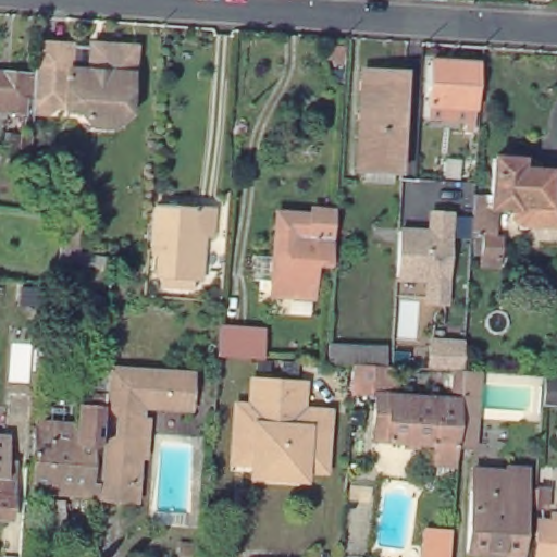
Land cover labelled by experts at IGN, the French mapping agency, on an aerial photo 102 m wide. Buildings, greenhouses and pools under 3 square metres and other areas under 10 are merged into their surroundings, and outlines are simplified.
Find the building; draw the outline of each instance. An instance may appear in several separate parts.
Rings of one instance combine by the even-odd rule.
[[[333,67],[346,67],[346,48],[339,46],[333,50],[331,57]]]
[[[33,307],[37,296],[35,287],[22,287],[22,305]]]
[[[370,398],[372,409],[379,411],[374,431],[374,440],[379,444],[403,446],[413,455],[422,448],[433,450],[433,466],[435,472],[442,476],[453,472],[457,468],[457,459],[463,457],[466,448],[479,446],[479,424],[485,420],[485,409],[490,409],[485,403],[481,403],[481,396],[487,394],[492,385],[487,383],[487,374],[470,372],[466,368],[463,342],[433,337],[429,346],[429,361],[429,363],[431,370],[448,370],[448,376],[455,379],[450,389],[457,394],[453,398],[392,394],[392,387],[398,387],[398,381],[392,376],[392,366],[394,361],[405,361],[413,355],[413,348],[407,344],[398,339],[394,339],[387,346],[329,344],[329,348],[329,359],[333,363],[350,363],[355,368],[352,374],[352,396],[361,396],[366,400]]]
[[[226,359],[261,359],[257,363],[257,379],[250,381],[248,400],[235,403],[233,407],[228,468],[239,476],[248,474],[255,483],[294,487],[315,483],[320,476],[331,474],[335,429],[333,413],[333,409],[309,407],[307,381],[287,381],[302,368],[294,361],[265,359],[265,350],[265,329],[248,326],[226,326],[220,326],[220,352],[220,357]]]
[[[361,109],[355,115],[350,115],[359,126],[359,131],[352,135],[352,139],[357,141],[359,159],[357,176],[361,176],[363,183],[379,185],[389,185],[396,181],[396,176],[407,174],[409,165],[411,72],[361,67],[355,72],[352,83],[352,87],[361,91]]]
[[[444,122],[453,122],[461,111],[466,113],[466,124],[476,122],[483,100],[483,63],[435,57],[429,59],[435,65],[433,96],[433,111],[442,111]]]
[[[194,540],[189,544],[176,541],[176,557],[194,557]]]
[[[94,259],[94,268],[100,272],[102,268],[107,268],[107,259]]]
[[[0,531],[9,522],[13,522],[15,516],[22,511],[24,485],[22,466],[26,463],[37,463],[37,485],[44,483],[57,490],[57,494],[52,494],[50,498],[52,507],[59,507],[59,520],[65,520],[67,511],[87,509],[94,496],[111,505],[137,505],[141,500],[144,461],[148,461],[148,411],[181,413],[189,413],[196,409],[196,389],[196,372],[161,370],[117,366],[94,389],[91,398],[87,398],[87,403],[81,407],[81,418],[74,420],[52,422],[46,416],[37,407],[33,407],[30,392],[9,392],[0,396]]]
[[[205,265],[205,239],[213,242],[220,233],[220,207],[154,207],[152,221],[150,242],[150,250],[141,268],[144,274],[150,274],[159,283],[159,289],[165,294],[198,292],[191,279]]]
[[[557,381],[553,379],[542,383],[542,409],[557,409]]]
[[[509,468],[476,466],[474,479],[472,542],[481,544],[483,557],[557,557],[557,516],[540,520],[537,533],[531,531],[529,468]]]
[[[433,211],[426,228],[403,228],[398,231],[396,246],[398,281],[424,283],[429,302],[435,309],[440,309],[446,309],[450,305],[455,237],[468,242],[472,237],[481,259],[481,268],[503,270],[507,263],[505,242],[498,237],[498,231],[503,228],[500,220],[505,213],[513,213],[518,228],[522,233],[533,235],[540,228],[557,228],[557,170],[535,168],[529,157],[505,157],[492,159],[490,194],[479,194],[472,200],[472,220],[457,218],[450,211]]]
[[[426,529],[422,544],[416,546],[420,550],[420,557],[457,557],[459,537],[453,537],[453,531],[441,529]]]
[[[33,72],[0,72],[0,124],[20,128],[33,117],[57,117],[74,120],[87,133],[94,135],[111,135],[124,131],[135,120],[141,50],[137,44],[100,41],[98,41],[98,44],[89,44],[89,46],[78,46],[67,41],[46,41],[44,61]]]
[[[322,270],[335,268],[335,263],[335,246],[335,209],[318,207],[311,211],[276,213],[272,257],[252,257],[252,270],[255,281],[259,283],[259,298],[274,300],[276,305],[281,305],[285,300],[300,300],[313,307],[313,302],[318,300]]]
[[[555,500],[553,485],[535,490],[537,509]]]
[[[444,176],[459,178],[459,161],[442,161],[442,170]]]

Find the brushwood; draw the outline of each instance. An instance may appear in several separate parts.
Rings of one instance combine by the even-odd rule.
[[[202,418],[202,429],[200,437],[205,453],[200,474],[200,498],[207,498],[215,492],[215,468],[211,457],[221,424],[218,413],[209,409]]]
[[[302,368],[311,359],[298,359],[289,352],[265,350],[265,359],[294,361]]]
[[[442,476],[435,485],[444,494],[441,529],[453,531],[453,537],[459,537],[461,529],[466,527],[466,516],[461,511],[463,483],[463,457],[457,459],[457,468],[453,472]]]
[[[26,61],[33,72],[44,61],[46,41],[41,37],[44,28],[30,26],[28,48],[13,50],[11,61]]]
[[[370,487],[372,511],[366,553],[374,553],[376,540],[381,496],[385,474],[379,474]]]
[[[141,221],[152,221],[154,207],[150,202],[152,194],[165,196],[185,191],[174,170],[181,137],[178,117],[187,107],[187,98],[183,94],[183,87],[178,85],[178,78],[183,76],[185,67],[181,61],[168,61],[163,65],[159,92],[159,104],[165,104],[165,124],[161,128],[154,128],[150,124],[146,131],[148,144],[144,146],[146,150],[154,150],[159,146],[165,161],[141,165]]]
[[[94,28],[94,22],[96,22],[96,20],[94,13],[83,13],[78,22],[67,24],[67,41],[78,46],[78,44],[81,44],[81,39],[89,39],[89,37],[91,37],[91,28]]]
[[[483,296],[481,281],[474,276],[474,272],[479,272],[481,268],[481,259],[472,259],[470,265],[472,309],[479,307]]]
[[[41,274],[4,270],[0,265],[0,281],[11,279],[22,283],[22,287],[35,287],[41,283]]]

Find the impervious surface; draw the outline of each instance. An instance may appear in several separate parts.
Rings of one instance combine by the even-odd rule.
[[[487,383],[492,385],[529,389],[529,407],[490,409],[485,409],[485,420],[479,424],[479,446],[466,448],[463,457],[463,483],[468,479],[474,479],[476,466],[509,468],[505,459],[498,457],[500,446],[507,440],[507,431],[503,431],[503,424],[507,420],[540,420],[542,409],[542,383],[540,376],[518,376],[498,372],[487,374]]]
[[[418,302],[400,300],[398,324],[398,339],[407,344],[418,335]]]
[[[231,198],[220,196],[218,191],[213,196],[207,196],[200,191],[185,191],[165,196],[152,194],[150,202],[154,207],[220,207],[220,233],[213,242],[205,239],[205,265],[191,279],[198,292],[202,292],[211,283],[218,285],[220,281],[224,281],[226,270],[224,252]]]
[[[311,315],[313,307],[300,300],[285,300],[281,305],[281,309],[289,315]]]
[[[546,139],[509,139],[503,148],[505,157],[529,157],[535,168],[557,170],[557,104],[550,111]]]
[[[457,218],[472,220],[472,200],[479,194],[481,187],[470,176],[459,178],[444,176],[442,170],[431,170],[420,161],[424,122],[424,96],[433,96],[435,65],[429,59],[435,57],[437,48],[483,50],[492,54],[494,48],[507,48],[522,54],[557,54],[557,0],[0,0],[0,20],[4,15],[44,17],[44,28],[41,37],[46,41],[67,41],[67,24],[78,22],[83,13],[94,13],[96,20],[102,20],[102,22],[104,22],[168,24],[170,30],[213,30],[218,35],[237,33],[281,33],[289,37],[302,37],[318,37],[339,39],[348,37],[405,41],[405,54],[418,54],[424,61],[424,70],[413,67],[411,72],[409,165],[407,174],[396,176],[396,181],[403,183],[403,228],[426,228],[433,211],[450,211]]]
[[[150,481],[150,505],[150,513],[161,516],[168,524],[172,524],[172,516],[181,513],[185,507],[168,509],[157,505],[161,453],[168,446],[189,450],[191,459],[187,470],[187,496],[191,498],[191,503],[198,503],[200,498],[200,474],[205,453],[200,437],[157,435]]]
[[[15,516],[13,522],[9,522],[0,531],[0,557],[22,557],[22,511]]]
[[[511,235],[522,233],[518,228],[513,213],[505,213],[500,220],[503,228],[498,231],[498,237],[505,242]]]
[[[37,463],[26,463],[22,466],[24,485],[37,485]]]
[[[311,359],[302,368],[287,381],[307,381],[309,407],[333,409],[333,413],[339,411],[339,407],[344,407],[346,396],[352,396],[352,374],[326,374],[315,366],[315,361]]]
[[[348,557],[420,557],[420,550],[416,546],[411,537],[416,524],[416,507],[420,500],[420,487],[407,481],[405,472],[413,455],[403,446],[379,444],[374,453],[379,455],[379,461],[372,470],[363,472],[363,476],[355,479],[355,487],[350,490],[350,503],[346,505],[346,509],[350,511]],[[370,487],[379,474],[385,474],[381,496],[385,498],[392,492],[405,492],[405,496],[409,498],[409,513],[403,546],[385,546],[376,540],[374,553],[366,553],[372,511]]]
[[[540,228],[533,235],[535,248],[540,248],[544,242],[557,242],[557,228]]]
[[[537,533],[540,520],[557,516],[557,468],[529,468],[531,531]],[[553,485],[555,500],[537,509],[535,490]]]
[[[372,237],[392,242],[396,246],[398,231],[374,226],[370,233]]]

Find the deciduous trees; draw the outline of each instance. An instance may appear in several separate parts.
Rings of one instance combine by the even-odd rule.
[[[533,252],[535,248],[533,235],[522,233],[511,235],[505,242],[507,263],[503,270],[503,281],[490,287],[490,307],[494,311],[505,311],[507,318],[520,313],[522,320],[542,318],[548,309],[546,294],[550,289],[542,272],[533,265],[529,257],[529,252]]]
[[[540,376],[542,383],[553,379],[557,381],[557,331],[544,333],[540,337],[542,352],[520,348],[516,357],[490,352],[487,339],[476,337],[474,333],[466,333],[463,342],[466,368],[470,372],[487,374],[498,372],[518,376]]]
[[[355,368],[350,363],[333,363],[329,359],[329,348],[320,344],[315,335],[311,335],[307,346],[318,348],[315,361],[315,366],[326,374],[352,374]]]
[[[361,248],[368,246],[368,233],[357,228],[350,235],[352,239],[346,239],[339,248],[335,246],[335,263],[344,272],[352,272],[361,261]]]
[[[24,485],[22,511],[22,557],[100,557],[98,550],[107,537],[109,520],[113,516],[111,505],[94,496],[87,509],[67,511],[65,520],[59,520],[59,507],[52,507],[50,498],[52,494],[57,494],[57,490],[44,483],[37,485]]]
[[[331,57],[333,50],[339,46],[339,39],[318,37],[318,52]]]
[[[263,135],[263,144],[257,148],[257,161],[261,170],[263,165],[287,168],[287,157],[302,148],[320,150],[322,137],[331,131],[331,126],[324,124],[324,117],[320,113],[302,113],[294,109],[294,104],[281,100],[274,111],[274,120],[268,133]]]
[[[213,302],[228,309],[228,302],[220,296],[218,285],[211,283],[202,292]]]
[[[433,466],[433,450],[422,448],[413,455],[405,472],[407,481],[420,487],[422,483],[435,485],[442,476],[435,472]]]
[[[207,498],[200,498],[198,503],[200,511],[205,513],[207,533],[202,540],[194,540],[194,557],[237,557],[239,550],[235,548],[235,544],[239,540],[239,507],[235,507],[231,500],[209,505]]]
[[[205,381],[209,383],[218,381],[220,376],[226,376],[226,359],[220,357],[220,352],[198,344],[194,337],[194,329],[189,329],[181,333],[176,342],[170,344],[165,357],[161,359],[161,370],[196,372],[196,389],[205,392]]]
[[[244,189],[250,187],[255,181],[250,176],[250,165],[239,157],[233,163],[233,181],[237,187]]]
[[[133,270],[141,268],[150,250],[150,242],[135,239],[122,250],[115,250],[113,244],[100,244],[98,233],[94,231],[100,222],[96,198],[83,189],[78,168],[74,159],[65,152],[41,154],[30,163],[20,157],[20,150],[13,150],[11,163],[7,163],[0,170],[0,196],[4,200],[20,200],[20,211],[39,213],[35,235],[41,239],[46,239],[48,233],[59,233],[61,242],[70,248],[72,235],[78,228],[83,228],[85,235],[81,239],[81,248],[87,250],[94,259],[107,259],[107,268],[102,268],[100,272],[107,292],[96,300],[91,300],[91,294],[85,287],[81,272],[61,272],[50,263],[50,268],[41,274],[41,283],[35,287],[37,296],[33,307],[35,320],[30,320],[28,324],[33,339],[28,344],[35,348],[30,359],[28,383],[30,392],[33,407],[37,407],[46,416],[50,413],[52,403],[59,403],[70,407],[74,420],[81,418],[81,407],[87,403],[87,398],[91,398],[94,389],[117,366],[115,357],[122,357],[122,350],[128,342],[126,318],[141,315],[148,307],[154,307],[157,298],[139,296],[133,305],[124,307],[122,287],[131,283]]]
[[[398,387],[409,385],[411,381],[407,368],[418,370],[424,363],[429,363],[429,361],[413,355],[405,361],[394,361],[392,366],[392,376],[398,381]]]
[[[503,89],[498,89],[490,98],[500,107],[505,120],[513,120],[509,96]]]
[[[322,503],[322,487],[315,483],[294,487],[298,498],[285,503],[283,516],[289,524],[302,527],[311,520],[311,505],[318,507]]]

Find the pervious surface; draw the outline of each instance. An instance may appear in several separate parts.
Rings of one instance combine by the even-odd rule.
[[[459,178],[470,176],[470,172],[476,168],[479,157],[479,139],[474,137],[479,133],[476,122],[466,124],[466,113],[461,111],[453,122],[444,122],[442,111],[433,111],[433,96],[424,96],[424,122],[431,128],[442,128],[442,152],[448,152],[450,135],[468,137],[468,159],[459,161]]]
[[[100,557],[115,557],[122,544],[120,535],[124,531],[124,520],[113,516],[109,520],[107,537],[98,550]]]
[[[244,261],[255,211],[255,189],[250,187],[244,189],[233,272],[233,289],[239,294],[239,298],[231,298],[228,302],[228,309],[228,318],[224,322],[226,326],[248,326],[248,289],[244,279]]]
[[[148,461],[144,461],[141,500],[137,505],[150,505],[150,481],[157,435],[200,437],[202,429],[194,422],[183,422],[181,413],[148,411]]]
[[[98,35],[102,33],[102,30],[104,30],[104,22],[102,22],[102,20],[96,20],[96,22],[94,22],[94,28],[91,28],[91,37],[89,37],[89,39],[81,39],[81,44],[78,44],[78,46],[89,46],[89,44],[98,44],[98,41],[100,41],[100,37],[98,37]]]
[[[394,283],[394,322],[398,324],[400,300],[418,302],[418,335],[407,344],[413,348],[413,355],[429,361],[429,346],[433,337],[433,333],[424,324],[437,318],[440,309],[435,309],[429,302],[424,283],[398,281]]]
[[[466,516],[466,527],[461,529],[459,537],[457,557],[483,557],[481,544],[472,542],[474,479],[468,479],[463,483],[461,511]]]
[[[224,157],[224,124],[228,111],[228,52],[237,33],[218,35],[213,30],[213,76],[209,89],[209,120],[202,154],[200,191],[207,196],[213,196],[218,191],[220,168]]]
[[[374,453],[379,444],[374,440],[374,431],[379,411],[372,409],[363,437],[355,442],[355,453]]]
[[[70,407],[59,403],[52,403],[50,413],[46,416],[52,422],[74,420]]]
[[[248,139],[250,148],[244,148],[239,157],[250,165],[250,176],[255,181],[259,178],[261,170],[257,161],[257,148],[263,144],[263,135],[268,133],[274,120],[274,111],[281,100],[292,87],[302,85],[300,81],[305,78],[307,67],[298,59],[298,41],[302,37],[289,37],[283,44],[283,57],[274,57],[270,61],[268,76],[276,85],[261,102],[261,111]]]

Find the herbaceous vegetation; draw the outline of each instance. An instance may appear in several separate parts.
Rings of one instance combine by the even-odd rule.
[[[481,281],[483,296],[479,307],[472,309],[470,265],[472,259],[481,259],[472,237],[468,242],[455,237],[450,305],[446,309],[440,309],[437,318],[424,324],[433,333],[433,337],[463,342],[466,333],[474,333],[476,337],[487,339],[490,352],[516,357],[520,348],[542,352],[540,337],[544,333],[557,331],[557,242],[544,242],[540,248],[535,248],[533,252],[529,252],[529,257],[533,265],[542,272],[550,289],[546,294],[548,309],[542,318],[522,320],[520,313],[507,318],[505,311],[494,311],[490,307],[490,287],[503,281],[503,270],[481,268],[479,272],[474,272],[474,276]]]
[[[7,372],[11,344],[28,344],[33,339],[28,324],[30,320],[35,320],[33,307],[22,305],[22,287],[22,283],[11,279],[0,281],[0,396],[9,392],[30,392],[28,383],[9,381]]]
[[[228,302],[231,298],[239,298],[239,294],[233,289],[233,272],[244,189],[237,187],[233,181],[233,163],[239,157],[244,148],[250,148],[248,139],[261,111],[261,102],[276,85],[268,76],[270,61],[274,57],[283,57],[283,44],[289,37],[281,33],[237,33],[228,52],[228,111],[224,124],[224,157],[220,168],[218,191],[220,196],[231,198],[224,252],[226,270],[224,281],[220,281],[218,285],[220,296]]]
[[[352,396],[346,396],[344,407],[339,407],[339,411],[333,413],[335,429],[331,474],[320,476],[315,483],[322,487],[322,503],[318,507],[311,505],[311,520],[302,527],[289,524],[283,516],[285,503],[298,498],[294,487],[255,483],[248,474],[239,476],[228,468],[233,407],[235,403],[248,400],[250,381],[257,379],[257,363],[261,359],[226,359],[226,376],[220,376],[218,381],[209,383],[205,381],[205,392],[196,389],[196,409],[189,413],[181,413],[183,422],[194,422],[202,429],[202,418],[209,409],[218,413],[221,424],[211,457],[215,468],[215,492],[207,498],[209,505],[231,500],[235,507],[239,507],[239,540],[235,544],[235,548],[239,550],[237,557],[348,557],[350,511],[346,509],[346,505],[350,503],[350,490],[355,487],[355,479],[363,476],[363,472],[372,470],[379,461],[379,455],[374,453],[355,453],[355,442],[363,437],[372,409],[370,398],[366,400],[361,396]]]
[[[124,520],[124,531],[120,535],[122,544],[115,557],[176,557],[176,541],[189,544],[194,540],[202,540],[207,533],[205,513],[200,511],[198,503],[191,503],[191,498],[187,496],[185,507],[181,513],[172,516],[172,524],[168,524],[161,516],[150,513],[150,505],[137,505],[111,505],[113,516]]]
[[[450,135],[448,152],[442,152],[442,128],[431,128],[424,122],[420,161],[431,170],[442,170],[442,161],[459,161],[468,159],[468,137]]]
[[[81,239],[85,235],[83,228],[78,228],[72,235],[70,248],[61,242],[59,233],[48,233],[46,239],[41,239],[35,235],[39,213],[20,211],[20,200],[4,200],[0,196],[0,265],[4,270],[41,274],[50,268],[50,263],[61,272],[81,272],[85,287],[91,294],[91,300],[96,300],[107,292],[100,272],[94,268],[94,259],[87,250],[81,248]]]
[[[198,344],[220,352],[220,326],[226,326],[224,322],[228,318],[228,309],[213,302],[202,292],[198,292],[165,294],[159,289],[159,283],[150,274],[144,274],[141,268],[133,270],[131,283],[122,287],[124,307],[133,305],[139,296],[157,298],[154,307],[148,307],[141,315],[126,318],[128,342],[122,350],[122,357],[115,357],[117,366],[161,370],[161,359],[165,357],[170,344],[176,342],[181,333],[189,329],[194,329],[194,337]]]
[[[424,363],[418,370],[407,368],[411,381],[409,385],[398,387],[392,387],[392,394],[453,398],[457,394],[450,389],[455,379],[448,376],[448,370],[431,370],[429,363]]]
[[[420,500],[416,507],[416,524],[411,537],[416,546],[422,544],[426,529],[441,529],[444,494],[435,485],[422,483],[420,487]]]
[[[0,20],[0,72],[33,72],[26,61],[11,61],[13,50],[28,48],[30,26],[44,28],[44,17],[4,15]]]
[[[424,70],[424,61],[418,54],[405,54],[405,41],[348,37],[339,39],[339,46],[346,48],[346,67],[333,67],[331,57],[318,52],[318,37],[302,37],[298,41],[298,59],[307,67],[305,78],[300,81],[302,85],[292,87],[281,100],[294,104],[294,109],[302,113],[320,113],[324,117],[324,124],[331,126],[331,131],[322,137],[320,150],[302,148],[287,157],[287,168],[263,165],[261,170],[259,178],[255,181],[250,187],[255,189],[255,211],[244,261],[244,279],[248,289],[248,326],[265,329],[265,350],[289,352],[298,359],[311,359],[315,361],[318,348],[307,346],[311,335],[315,335],[320,344],[329,348],[329,344],[387,346],[394,339],[398,339],[398,324],[394,322],[394,283],[398,281],[396,246],[392,242],[372,237],[370,233],[374,226],[398,231],[403,228],[403,183],[396,181],[389,185],[379,185],[363,183],[361,176],[357,176],[359,159],[357,141],[352,139],[352,135],[359,131],[359,126],[350,115],[355,115],[361,109],[361,91],[352,87],[352,83],[355,72],[361,67],[411,72],[413,67]],[[368,233],[368,246],[361,248],[361,261],[352,272],[344,272],[335,263],[335,268],[322,270],[318,300],[313,302],[313,307],[311,315],[289,315],[281,309],[281,305],[276,305],[274,300],[259,298],[259,283],[255,281],[252,270],[252,257],[272,257],[276,213],[311,211],[318,207],[335,209],[335,246],[339,248],[346,239],[352,239],[350,235],[357,228]]]
[[[65,152],[74,159],[78,168],[83,189],[96,198],[100,222],[94,231],[98,233],[100,244],[113,244],[115,250],[122,250],[135,239],[150,242],[152,221],[141,221],[141,165],[165,161],[159,146],[154,150],[146,150],[144,146],[148,144],[146,131],[150,124],[154,128],[161,128],[165,124],[165,104],[159,104],[159,92],[163,65],[168,61],[181,61],[185,67],[183,76],[178,78],[178,85],[183,87],[183,94],[187,98],[187,107],[178,117],[181,137],[174,170],[185,191],[200,191],[202,154],[209,120],[209,89],[213,76],[213,30],[170,30],[168,24],[104,22],[104,30],[102,30],[102,33],[98,35],[98,37],[100,37],[100,41],[137,44],[141,50],[135,120],[124,131],[111,135],[94,135],[87,133],[74,120],[57,117],[33,117],[20,128],[0,124],[0,170],[7,163],[11,163],[13,150],[20,150],[20,157],[30,163],[41,154]]]
[[[542,409],[540,420],[507,420],[503,424],[503,431],[507,431],[507,440],[500,446],[498,457],[505,459],[509,468],[529,468],[557,468],[557,409]]]
[[[509,139],[546,139],[550,111],[557,104],[557,54],[522,54],[507,48],[494,48],[492,54],[483,50],[437,48],[435,57],[483,63],[483,100],[476,122],[479,133],[474,137],[479,139],[479,157],[476,168],[470,172],[470,176],[481,187],[479,194],[490,194],[492,159],[505,157],[503,148]],[[509,96],[513,120],[505,120],[500,107],[490,98],[498,89],[503,89]]]

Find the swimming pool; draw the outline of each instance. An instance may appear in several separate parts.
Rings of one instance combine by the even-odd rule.
[[[11,344],[7,372],[9,381],[28,383],[30,359],[35,348],[28,344]]]
[[[405,496],[405,492],[392,492],[385,498],[381,496],[376,540],[385,546],[403,546],[409,513],[409,498]]]
[[[168,446],[161,453],[157,505],[168,509],[185,507],[187,496],[187,470],[191,459],[189,450]]]
[[[529,389],[492,385],[487,394],[481,396],[481,403],[485,403],[490,409],[529,407]]]

